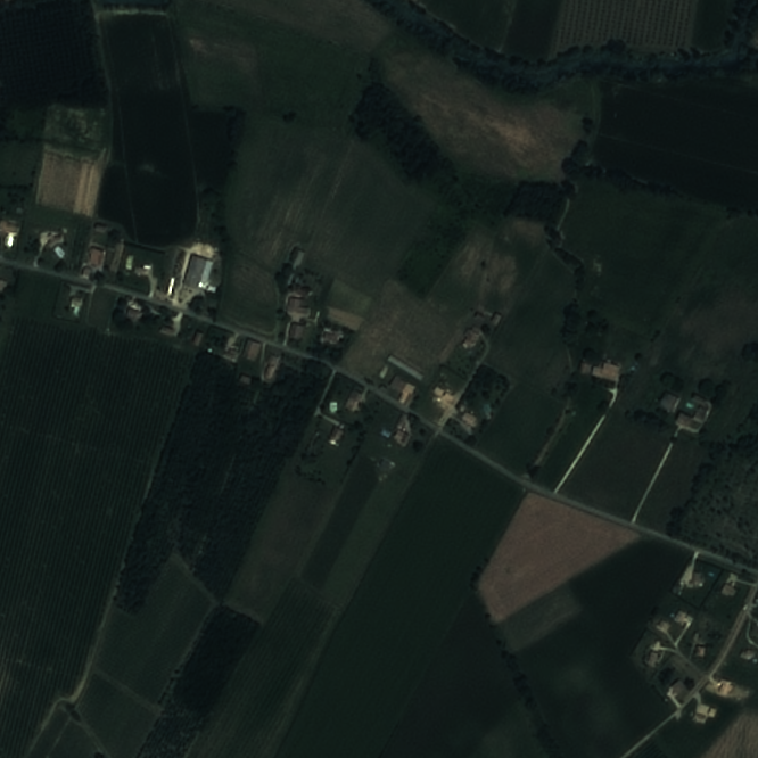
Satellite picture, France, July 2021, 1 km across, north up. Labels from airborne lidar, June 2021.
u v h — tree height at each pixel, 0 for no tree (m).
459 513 0
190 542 7
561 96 0
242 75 0
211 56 0
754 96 0
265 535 0
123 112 0
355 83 0
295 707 0
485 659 0
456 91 0
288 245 0
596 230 0
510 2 0
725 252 0
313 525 0
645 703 0
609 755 0
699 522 6
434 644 0
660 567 0
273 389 8
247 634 14
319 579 0
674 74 16
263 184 0
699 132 0
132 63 0
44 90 31
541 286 0
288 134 0
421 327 0
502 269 0
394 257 0
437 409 0
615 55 28
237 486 13
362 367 0
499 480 0
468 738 0
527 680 12
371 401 0
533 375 0
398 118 23
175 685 7
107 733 0
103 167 0
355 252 0
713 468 18
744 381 0
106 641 0
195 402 10
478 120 0
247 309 0
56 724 0
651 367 0
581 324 10
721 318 0
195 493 12
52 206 0
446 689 0
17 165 0
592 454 0
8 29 19
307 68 0
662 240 0
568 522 0
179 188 0
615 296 0
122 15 0
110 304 0
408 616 0
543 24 0
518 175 0
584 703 0
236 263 0
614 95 0
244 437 12
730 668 0
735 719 0
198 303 8
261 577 0
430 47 13
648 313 0
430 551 0
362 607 0
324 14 0
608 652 0
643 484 0
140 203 0
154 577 7
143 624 0
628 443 0
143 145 0
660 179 0
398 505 0
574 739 0
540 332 0
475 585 12
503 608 0
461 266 0
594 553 0
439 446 0
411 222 0
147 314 8
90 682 0
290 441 13
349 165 0
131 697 0
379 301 0
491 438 0
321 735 0
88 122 0
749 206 0
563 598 0
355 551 0
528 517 0
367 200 0
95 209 0
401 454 0
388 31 0
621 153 0
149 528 9
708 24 0
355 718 0
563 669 0
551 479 0
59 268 9
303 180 0
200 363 13
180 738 6
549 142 0
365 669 0
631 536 0
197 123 0
